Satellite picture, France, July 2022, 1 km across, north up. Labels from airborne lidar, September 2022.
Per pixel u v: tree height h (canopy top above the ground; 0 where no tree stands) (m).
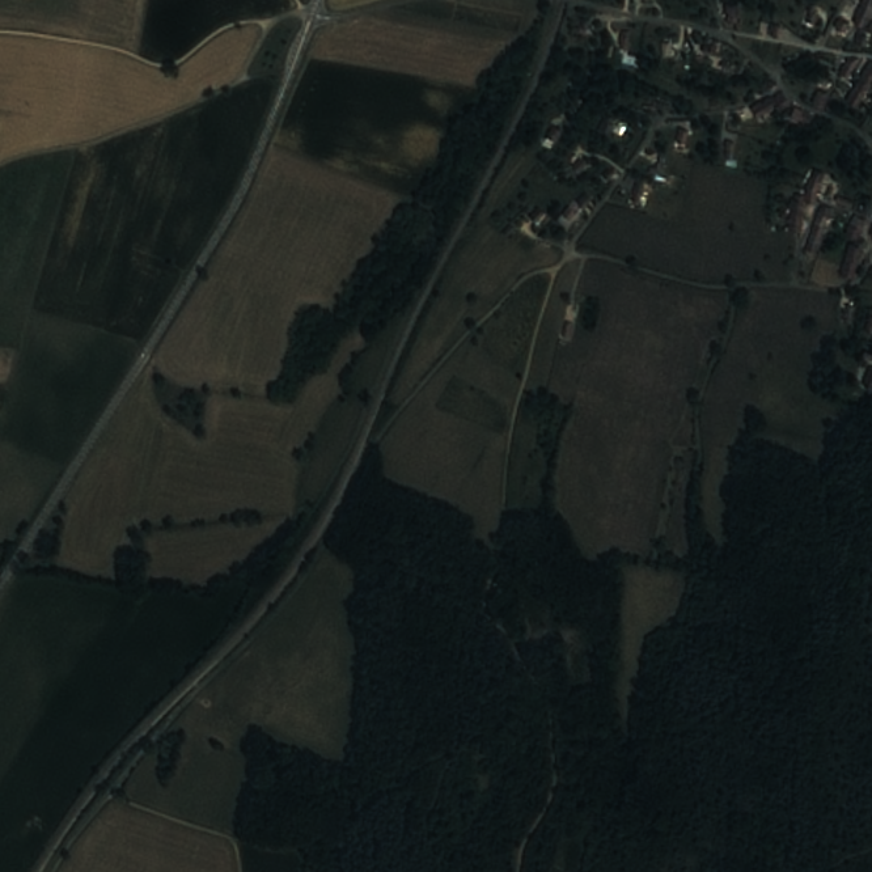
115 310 0
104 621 0
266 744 19
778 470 18
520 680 17
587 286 0
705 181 0
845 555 19
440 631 11
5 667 0
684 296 0
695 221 0
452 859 10
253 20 0
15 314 0
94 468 0
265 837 19
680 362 0
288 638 0
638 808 22
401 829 17
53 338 0
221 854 0
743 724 8
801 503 20
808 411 0
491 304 0
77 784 0
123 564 17
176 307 0
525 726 23
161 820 0
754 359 0
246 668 0
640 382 0
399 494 20
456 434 0
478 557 19
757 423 18
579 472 0
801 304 0
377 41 0
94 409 0
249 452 0
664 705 14
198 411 8
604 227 0
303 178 0
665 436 0
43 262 0
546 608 7
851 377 16
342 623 0
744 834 8
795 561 18
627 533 0
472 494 0
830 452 13
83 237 0
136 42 0
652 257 0
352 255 0
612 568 18
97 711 0
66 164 0
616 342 0
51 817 0
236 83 0
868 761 11
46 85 0
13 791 0
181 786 0
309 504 13
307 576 0
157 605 0
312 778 22
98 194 0
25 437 0
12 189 0
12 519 0
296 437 0
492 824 11
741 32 0
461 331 0
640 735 16
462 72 0
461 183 15
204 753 0
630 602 0
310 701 0
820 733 11
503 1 0
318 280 0
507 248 0
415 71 0
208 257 0
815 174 0
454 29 0
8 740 0
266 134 0
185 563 0
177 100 0
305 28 0
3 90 0
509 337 0
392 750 12
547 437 8
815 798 17
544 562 24
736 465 20
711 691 12
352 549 20
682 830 9
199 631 0
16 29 0
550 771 7
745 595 19
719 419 0
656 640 8
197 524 10
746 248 0
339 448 0
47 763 0
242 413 0
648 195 0
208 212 0
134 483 0
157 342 0
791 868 7
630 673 0
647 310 0
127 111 0
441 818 11
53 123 0
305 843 14
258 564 18
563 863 0
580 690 12
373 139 0
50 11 0
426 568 20
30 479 0
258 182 0
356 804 16
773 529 16
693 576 12
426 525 22
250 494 0
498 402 0
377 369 0
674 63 10
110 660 0
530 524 26
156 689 0
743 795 14
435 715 13
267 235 0
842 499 19
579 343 0
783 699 16
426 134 0
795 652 24
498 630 20
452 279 0
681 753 9
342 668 0
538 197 0
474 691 12
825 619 18
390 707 21
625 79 20
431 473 0
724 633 18
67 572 9
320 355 18
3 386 0
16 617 0
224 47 0
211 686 0
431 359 0
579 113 9
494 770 6
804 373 0
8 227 0
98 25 0
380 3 0
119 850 0
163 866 0
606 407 0
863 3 0
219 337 0
